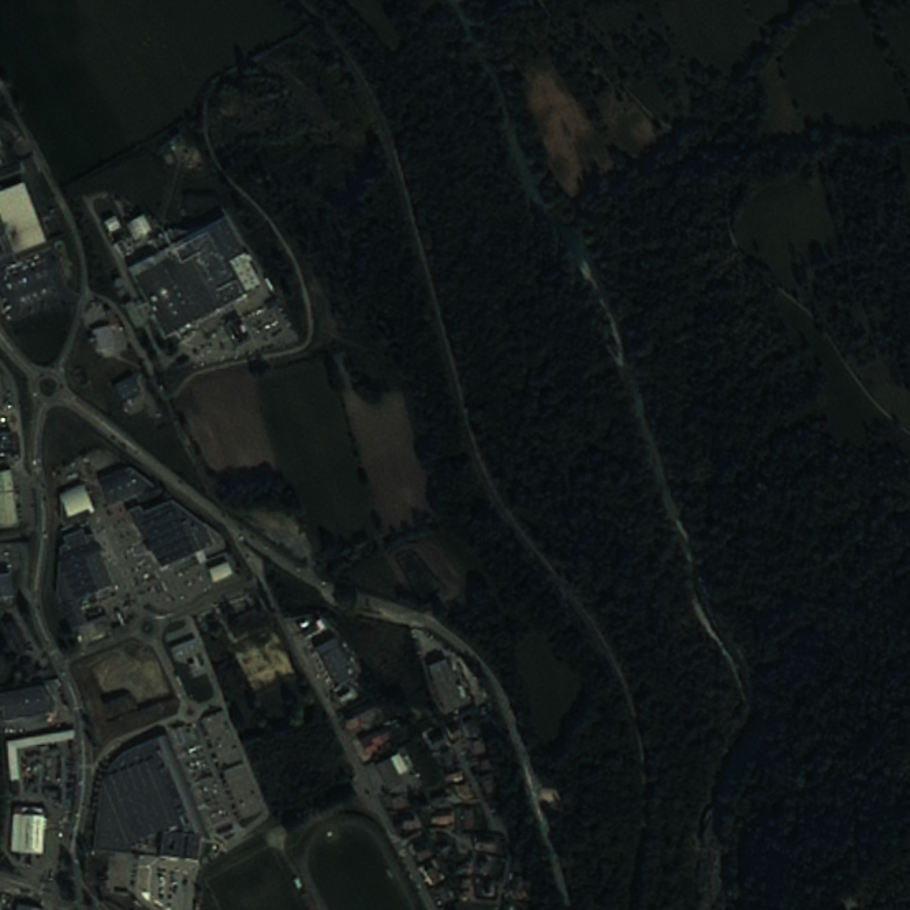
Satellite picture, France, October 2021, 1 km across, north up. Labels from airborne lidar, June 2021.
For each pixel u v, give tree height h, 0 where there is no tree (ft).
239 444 0
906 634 85
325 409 0
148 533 0
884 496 50
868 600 79
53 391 0
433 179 58
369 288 62
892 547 96
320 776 22
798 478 72
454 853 18
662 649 59
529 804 48
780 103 0
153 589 0
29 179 0
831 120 0
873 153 34
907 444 0
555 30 29
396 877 0
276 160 0
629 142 0
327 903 0
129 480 0
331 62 57
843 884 85
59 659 0
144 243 0
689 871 58
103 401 0
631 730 33
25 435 0
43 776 0
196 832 0
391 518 0
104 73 0
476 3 60
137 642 0
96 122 0
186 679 0
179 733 0
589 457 23
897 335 46
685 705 49
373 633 0
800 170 40
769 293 43
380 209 56
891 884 34
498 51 71
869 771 71
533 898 22
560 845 55
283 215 53
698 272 46
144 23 0
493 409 53
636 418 72
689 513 72
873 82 0
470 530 64
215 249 0
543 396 71
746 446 41
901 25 0
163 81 0
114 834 0
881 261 36
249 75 33
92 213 0
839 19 0
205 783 0
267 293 0
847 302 40
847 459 31
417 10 66
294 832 43
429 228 39
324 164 37
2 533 0
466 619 42
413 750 0
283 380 0
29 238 0
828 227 0
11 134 0
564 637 64
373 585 0
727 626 61
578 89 62
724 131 49
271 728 28
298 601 0
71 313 0
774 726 84
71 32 0
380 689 39
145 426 0
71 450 0
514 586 52
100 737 0
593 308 42
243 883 0
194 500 0
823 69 0
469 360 67
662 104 0
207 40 0
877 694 80
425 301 70
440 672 0
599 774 36
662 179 64
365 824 0
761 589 41
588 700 34
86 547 0
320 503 0
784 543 74
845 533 49
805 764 66
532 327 67
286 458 0
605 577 51
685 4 0
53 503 0
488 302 59
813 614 73
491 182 58
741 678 22
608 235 48
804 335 0
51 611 0
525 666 0
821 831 83
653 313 74
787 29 54
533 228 49
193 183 0
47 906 0
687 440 72
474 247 50
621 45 37
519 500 61
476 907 0
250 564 0
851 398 0
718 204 54
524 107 60
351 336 0
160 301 0
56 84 0
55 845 0
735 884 70
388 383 0
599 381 29
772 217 0
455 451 73
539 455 54
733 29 0
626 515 41
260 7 0
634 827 78
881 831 95
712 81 49
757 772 76
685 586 68
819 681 87
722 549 58
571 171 0
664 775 90
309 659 0
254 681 0
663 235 53
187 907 0
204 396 0
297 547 0
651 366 89
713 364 49
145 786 0
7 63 0
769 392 42
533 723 53
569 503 46
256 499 60
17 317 0
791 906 87
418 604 51
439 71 37
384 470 0
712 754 54
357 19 44
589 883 32
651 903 56
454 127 42
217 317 0
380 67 68
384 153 64
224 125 0
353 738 0
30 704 0
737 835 21
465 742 0
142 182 0
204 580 0
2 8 0
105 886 0
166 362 0
